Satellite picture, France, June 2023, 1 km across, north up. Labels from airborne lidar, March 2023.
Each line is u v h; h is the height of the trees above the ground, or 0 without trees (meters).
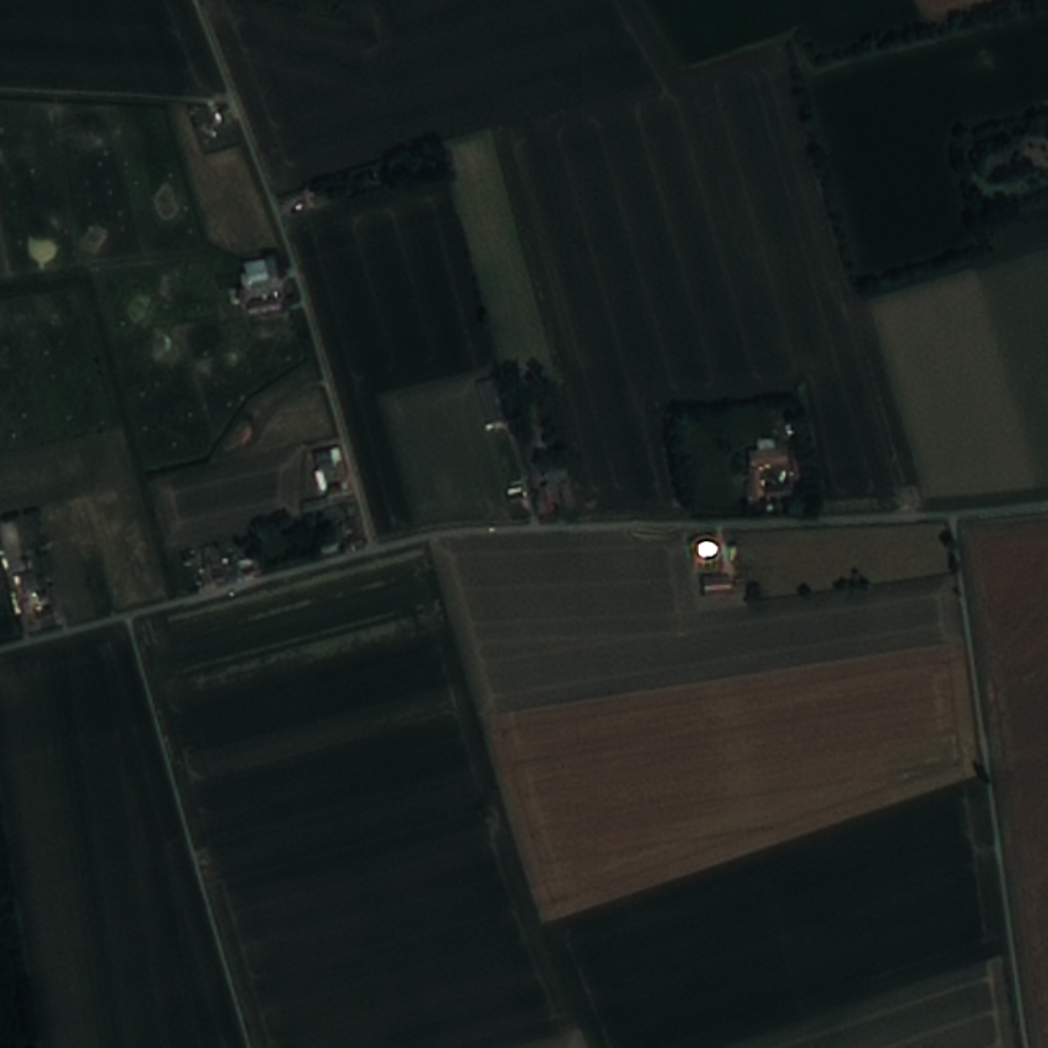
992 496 0
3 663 0
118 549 0
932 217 0
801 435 17
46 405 0
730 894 0
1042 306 0
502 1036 0
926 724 0
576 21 0
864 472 0
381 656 0
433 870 0
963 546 0
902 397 0
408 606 0
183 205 0
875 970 0
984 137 9
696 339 0
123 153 0
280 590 0
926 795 0
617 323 0
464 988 0
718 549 0
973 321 0
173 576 0
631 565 0
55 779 0
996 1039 0
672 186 0
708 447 0
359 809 0
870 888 0
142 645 0
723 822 0
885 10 0
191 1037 0
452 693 0
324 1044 0
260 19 0
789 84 0
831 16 0
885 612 0
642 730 0
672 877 0
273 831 0
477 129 0
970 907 0
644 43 0
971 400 0
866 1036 0
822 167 9
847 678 0
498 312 0
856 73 0
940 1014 0
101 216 0
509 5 0
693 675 0
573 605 0
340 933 0
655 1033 0
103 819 0
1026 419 0
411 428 0
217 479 0
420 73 0
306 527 11
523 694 0
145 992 0
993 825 0
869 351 0
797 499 15
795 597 0
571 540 0
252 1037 0
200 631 0
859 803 0
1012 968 0
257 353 0
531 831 0
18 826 0
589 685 0
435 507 0
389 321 0
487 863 0
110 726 0
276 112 0
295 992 0
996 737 0
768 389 0
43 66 0
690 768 0
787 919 0
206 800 0
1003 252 0
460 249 0
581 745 0
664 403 0
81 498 0
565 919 0
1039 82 0
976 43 0
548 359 0
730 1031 0
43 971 0
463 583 0
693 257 0
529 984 0
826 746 0
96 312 0
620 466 0
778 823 0
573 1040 0
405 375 0
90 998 0
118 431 0
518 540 0
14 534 0
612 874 0
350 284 0
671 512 0
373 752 0
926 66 0
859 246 0
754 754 0
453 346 0
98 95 0
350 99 0
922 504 0
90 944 0
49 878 0
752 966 0
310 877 0
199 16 0
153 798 0
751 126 0
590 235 0
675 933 0
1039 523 0
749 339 0
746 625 0
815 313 0
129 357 0
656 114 0
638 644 0
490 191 0
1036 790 0
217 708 0
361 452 0
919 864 0
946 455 0
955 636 0
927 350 0
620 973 0
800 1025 0
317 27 0
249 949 0
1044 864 0
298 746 0
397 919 0
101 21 0
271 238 0
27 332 0
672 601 0
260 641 0
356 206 0
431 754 0
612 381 0
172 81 0
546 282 0
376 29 0
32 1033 22
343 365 0
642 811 0
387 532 0
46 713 0
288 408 0
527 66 0
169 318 0
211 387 0
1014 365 0
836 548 0
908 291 0
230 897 0
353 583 0
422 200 0
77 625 0
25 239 0
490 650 0
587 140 0
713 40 0
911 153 0
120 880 0
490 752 0
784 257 0
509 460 0
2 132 0
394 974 0
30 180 0
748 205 0
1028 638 0
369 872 0
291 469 0
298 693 0
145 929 0
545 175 0
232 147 0
